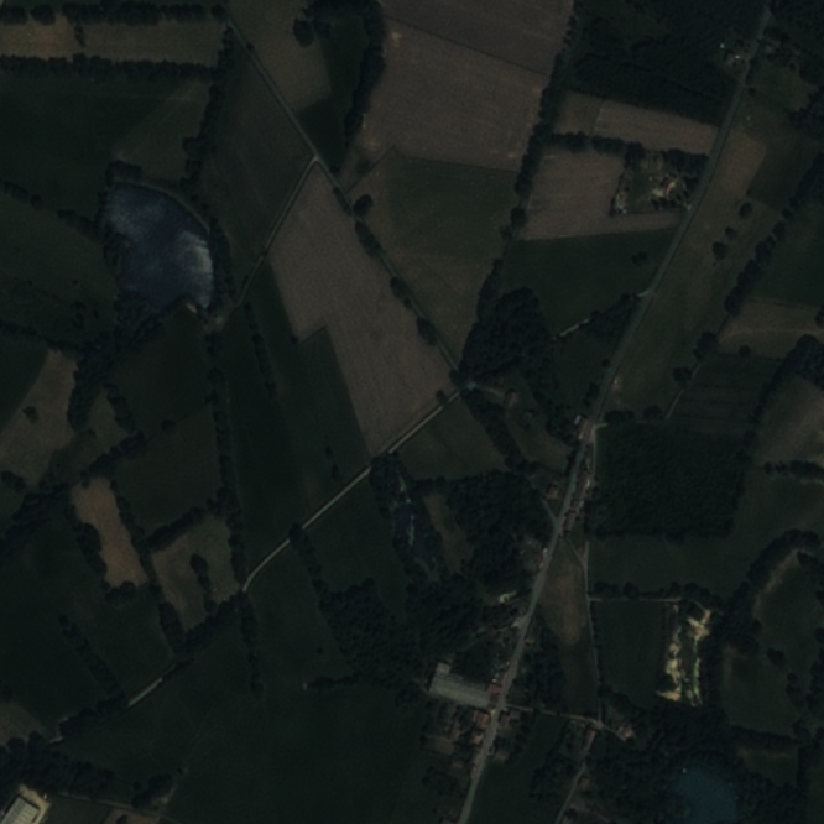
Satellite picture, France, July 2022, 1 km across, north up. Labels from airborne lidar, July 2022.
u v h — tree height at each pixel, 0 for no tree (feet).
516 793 0
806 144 0
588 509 42
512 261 0
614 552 0
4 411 0
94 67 73
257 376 0
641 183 0
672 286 0
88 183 0
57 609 0
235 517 52
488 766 0
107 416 0
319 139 0
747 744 60
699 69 36
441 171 0
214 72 53
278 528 0
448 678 0
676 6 61
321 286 0
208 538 0
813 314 0
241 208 0
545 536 31
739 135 0
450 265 0
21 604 0
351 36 0
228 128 0
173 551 0
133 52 0
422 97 0
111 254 31
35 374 0
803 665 0
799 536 55
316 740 0
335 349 0
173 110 0
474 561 29
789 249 0
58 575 0
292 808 0
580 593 0
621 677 0
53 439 0
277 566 0
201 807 0
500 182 0
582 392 0
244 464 0
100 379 56
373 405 0
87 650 59
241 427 0
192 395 0
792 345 0
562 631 0
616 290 0
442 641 28
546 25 0
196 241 0
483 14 0
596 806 0
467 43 0
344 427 0
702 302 0
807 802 60
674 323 0
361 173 0
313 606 0
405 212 0
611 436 0
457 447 0
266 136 0
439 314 0
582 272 0
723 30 65
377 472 42
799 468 61
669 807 57
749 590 67
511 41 0
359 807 0
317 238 0
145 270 0
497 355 27
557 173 0
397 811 0
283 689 0
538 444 0
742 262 0
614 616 0
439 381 0
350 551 0
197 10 53
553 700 76
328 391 0
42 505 57
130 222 0
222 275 39
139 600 0
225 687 0
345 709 0
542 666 59
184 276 0
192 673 0
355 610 56
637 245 0
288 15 0
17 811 0
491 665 20
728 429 0
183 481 0
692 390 0
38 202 48
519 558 54
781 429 0
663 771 42
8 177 0
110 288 0
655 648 0
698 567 0
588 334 27
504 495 31
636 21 0
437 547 49
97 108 0
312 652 0
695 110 31
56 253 0
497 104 0
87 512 0
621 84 37
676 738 56
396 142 0
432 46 0
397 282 42
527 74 0
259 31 0
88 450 0
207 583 53
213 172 0
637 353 0
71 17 61
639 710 28
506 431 50
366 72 62
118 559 0
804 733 59
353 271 0
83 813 0
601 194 0
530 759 0
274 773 0
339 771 0
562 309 0
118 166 44
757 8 48
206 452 0
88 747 0
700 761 34
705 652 26
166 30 0
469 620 64
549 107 72
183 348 0
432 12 0
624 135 0
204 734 0
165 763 0
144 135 0
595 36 34
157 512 0
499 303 36
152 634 0
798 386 0
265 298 0
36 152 0
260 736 0
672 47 34
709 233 0
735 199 0
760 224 0
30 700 0
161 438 0
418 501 65
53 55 0
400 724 0
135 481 0
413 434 0
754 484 0
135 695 0
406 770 0
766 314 0
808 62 27
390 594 0
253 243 0
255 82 0
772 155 0
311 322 0
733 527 54
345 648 49
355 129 63
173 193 0
